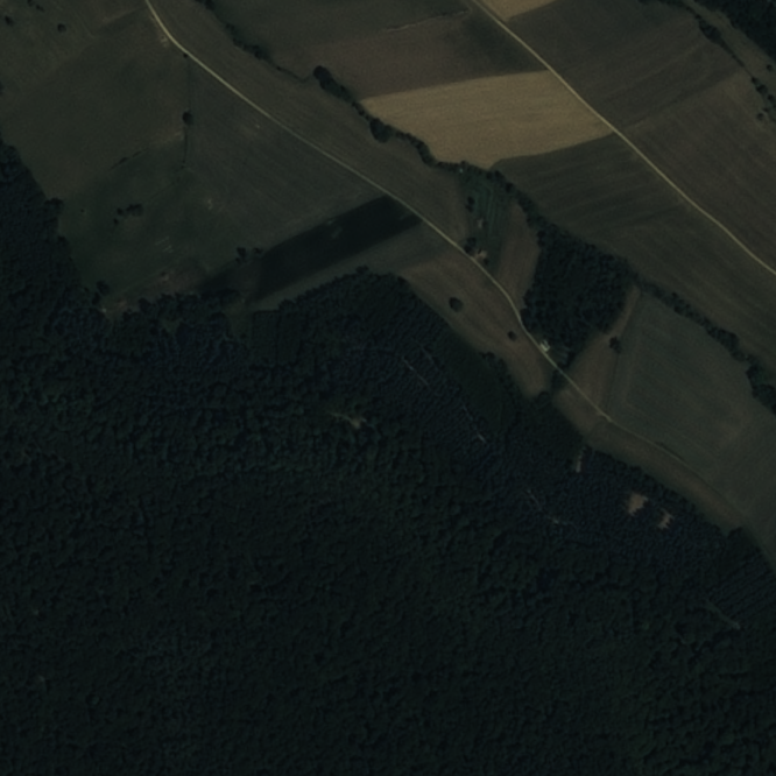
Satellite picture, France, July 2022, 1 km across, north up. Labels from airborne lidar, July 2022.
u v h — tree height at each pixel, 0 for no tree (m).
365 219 0
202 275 0
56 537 27
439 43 0
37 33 0
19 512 24
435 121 0
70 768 26
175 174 0
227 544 25
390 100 0
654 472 0
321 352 24
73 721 20
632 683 23
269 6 0
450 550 26
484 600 18
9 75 0
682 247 0
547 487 20
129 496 25
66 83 0
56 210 21
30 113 0
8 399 30
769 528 0
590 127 0
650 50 0
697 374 0
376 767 27
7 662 20
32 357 13
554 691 18
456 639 21
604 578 29
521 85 0
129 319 21
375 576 26
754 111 0
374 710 23
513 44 0
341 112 0
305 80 0
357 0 0
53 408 32
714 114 0
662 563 21
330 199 0
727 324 0
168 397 24
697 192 0
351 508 19
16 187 18
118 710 10
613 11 0
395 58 0
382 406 24
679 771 30
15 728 15
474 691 20
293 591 25
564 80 0
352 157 0
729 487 0
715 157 0
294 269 0
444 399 23
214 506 24
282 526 25
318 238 0
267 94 0
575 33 0
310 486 12
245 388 23
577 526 26
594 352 0
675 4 10
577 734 20
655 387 0
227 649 22
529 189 0
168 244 0
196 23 0
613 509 26
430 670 21
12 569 24
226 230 0
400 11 0
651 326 0
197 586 20
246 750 23
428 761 23
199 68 0
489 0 0
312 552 25
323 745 21
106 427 32
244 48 10
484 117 0
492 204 0
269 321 7
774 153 0
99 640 18
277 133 0
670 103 0
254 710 21
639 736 29
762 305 0
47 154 0
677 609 43
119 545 24
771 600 16
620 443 0
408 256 0
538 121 0
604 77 0
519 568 32
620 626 25
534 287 6
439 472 31
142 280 0
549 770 20
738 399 0
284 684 22
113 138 0
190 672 22
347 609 24
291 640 21
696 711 22
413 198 0
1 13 0
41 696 22
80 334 31
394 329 20
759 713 27
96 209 0
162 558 25
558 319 26
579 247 8
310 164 0
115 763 21
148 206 0
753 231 0
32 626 21
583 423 0
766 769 13
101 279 0
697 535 25
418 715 7
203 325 23
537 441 7
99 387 22
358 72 0
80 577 22
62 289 22
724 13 19
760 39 14
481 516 35
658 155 0
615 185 0
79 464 18
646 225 0
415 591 20
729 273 0
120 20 0
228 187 0
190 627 21
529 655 21
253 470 17
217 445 12
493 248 0
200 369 27
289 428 31
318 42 0
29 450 18
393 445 33
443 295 0
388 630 19
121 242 0
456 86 0
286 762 21
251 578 32
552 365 0
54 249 22
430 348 15
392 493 28
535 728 20
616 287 16
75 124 0
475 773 22
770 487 0
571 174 0
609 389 0
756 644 19
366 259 0
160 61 0
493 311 0
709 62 0
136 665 18
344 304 19
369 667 20
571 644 21
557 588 35
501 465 32
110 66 0
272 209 0
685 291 0
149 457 31
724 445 0
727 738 38
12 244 21
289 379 30
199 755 16
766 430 0
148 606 21
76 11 0
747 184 0
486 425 24
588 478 25
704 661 38
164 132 0
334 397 34
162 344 27
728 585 16
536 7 0
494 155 0
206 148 0
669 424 0
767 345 0
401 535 22
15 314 25
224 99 0
